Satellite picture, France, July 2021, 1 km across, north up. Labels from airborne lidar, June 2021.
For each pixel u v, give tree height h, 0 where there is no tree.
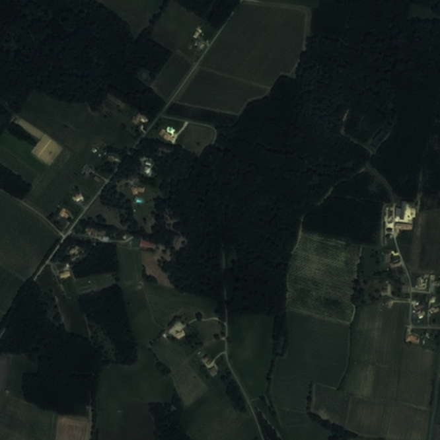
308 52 15
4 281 0
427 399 0
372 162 10
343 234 6
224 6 16
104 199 17
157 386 0
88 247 14
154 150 14
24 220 0
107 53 22
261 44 0
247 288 10
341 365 0
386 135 15
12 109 10
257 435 0
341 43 17
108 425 0
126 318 15
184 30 0
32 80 14
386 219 0
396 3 26
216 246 11
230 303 20
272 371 7
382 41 25
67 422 0
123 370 0
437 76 17
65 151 0
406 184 8
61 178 0
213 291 19
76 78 20
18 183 12
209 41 0
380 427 0
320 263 0
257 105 9
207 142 0
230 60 0
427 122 12
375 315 0
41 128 0
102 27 19
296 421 0
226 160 25
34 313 17
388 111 21
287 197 20
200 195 12
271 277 15
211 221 12
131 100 20
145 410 0
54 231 0
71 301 0
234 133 6
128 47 26
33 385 15
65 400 18
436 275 0
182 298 0
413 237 0
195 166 15
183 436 16
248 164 22
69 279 0
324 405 0
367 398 0
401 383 0
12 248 0
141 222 0
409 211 0
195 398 0
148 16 0
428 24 20
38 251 0
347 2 18
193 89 0
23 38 25
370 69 23
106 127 0
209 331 0
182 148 14
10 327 17
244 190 29
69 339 19
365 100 18
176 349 0
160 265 9
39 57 25
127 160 14
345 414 0
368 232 6
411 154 11
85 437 0
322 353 0
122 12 0
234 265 28
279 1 0
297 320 0
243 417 0
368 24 10
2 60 21
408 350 0
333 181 23
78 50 23
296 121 23
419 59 20
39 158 0
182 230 13
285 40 0
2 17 19
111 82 8
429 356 0
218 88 0
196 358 0
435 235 0
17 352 15
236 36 0
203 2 20
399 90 18
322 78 18
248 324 0
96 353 15
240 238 19
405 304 0
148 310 0
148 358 0
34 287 17
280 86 9
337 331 0
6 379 0
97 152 0
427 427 0
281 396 0
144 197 0
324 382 0
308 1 0
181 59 0
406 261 0
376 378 0
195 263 18
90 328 10
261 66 0
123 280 0
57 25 9
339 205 7
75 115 0
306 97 22
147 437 0
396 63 21
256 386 0
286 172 21
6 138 0
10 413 0
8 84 17
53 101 0
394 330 0
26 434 0
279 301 18
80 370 20
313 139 17
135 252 0
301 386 0
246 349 0
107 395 0
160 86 0
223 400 0
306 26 0
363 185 8
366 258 0
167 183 10
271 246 27
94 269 16
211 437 0
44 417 0
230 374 19
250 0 0
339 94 20
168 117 0
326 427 13
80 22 12
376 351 0
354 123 8
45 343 9
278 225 22
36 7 28
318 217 7
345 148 16
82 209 0
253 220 21
